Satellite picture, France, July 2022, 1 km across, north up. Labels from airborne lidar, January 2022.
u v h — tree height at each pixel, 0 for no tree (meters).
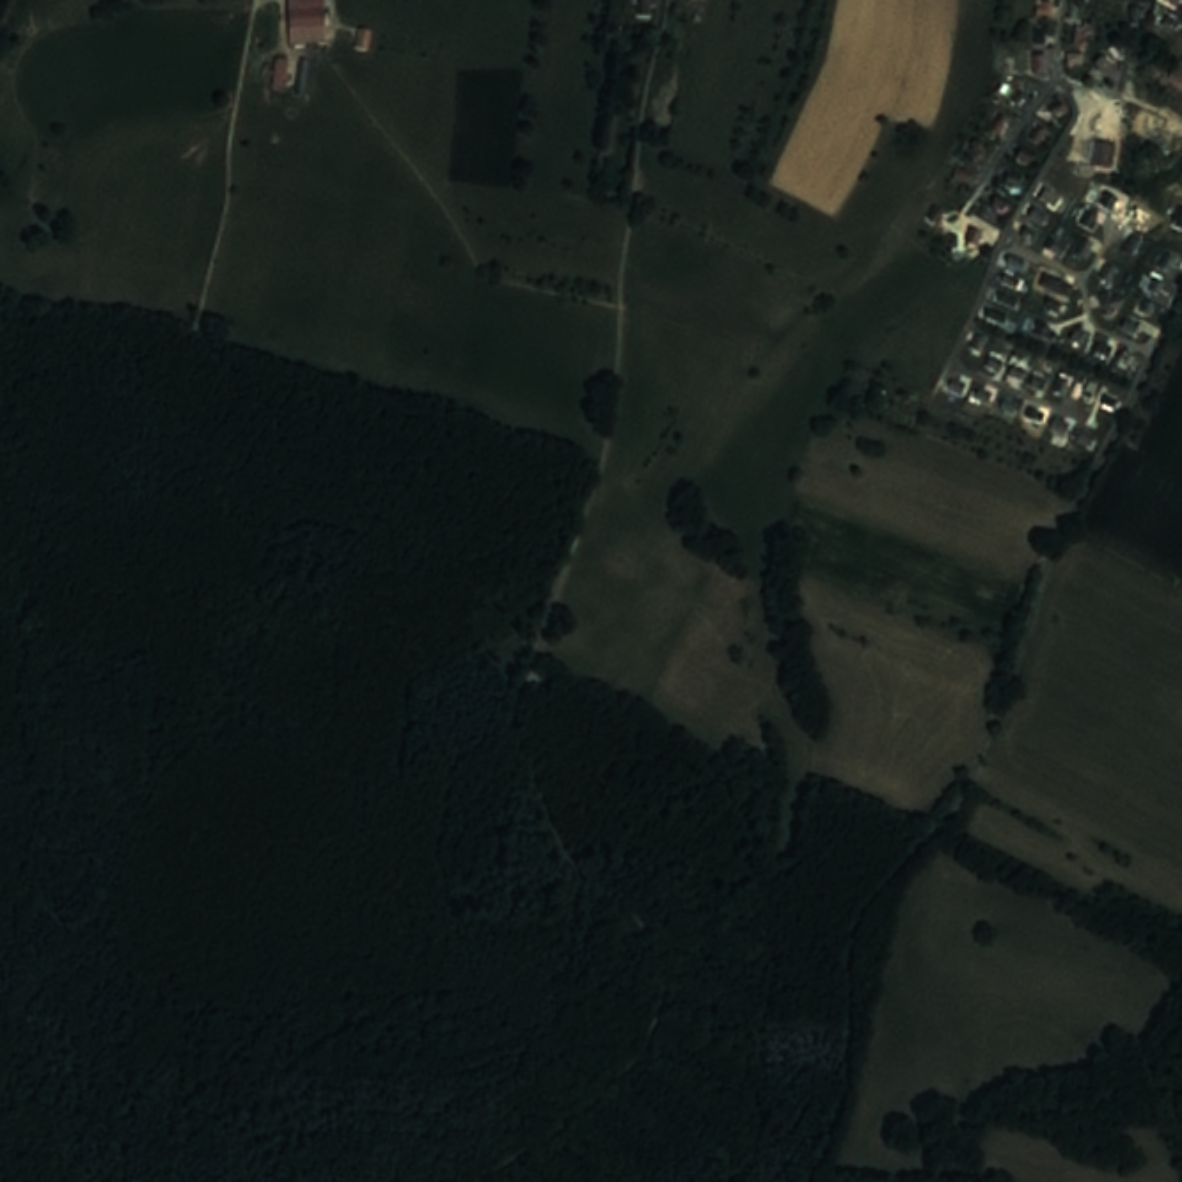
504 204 0
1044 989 0
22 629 16
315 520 17
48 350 14
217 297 0
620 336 0
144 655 16
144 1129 15
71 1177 11
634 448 0
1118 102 0
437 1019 19
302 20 0
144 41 0
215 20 0
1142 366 0
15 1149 11
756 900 24
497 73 0
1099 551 0
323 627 13
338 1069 15
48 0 0
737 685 0
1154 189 0
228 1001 14
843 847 20
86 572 15
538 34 10
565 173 0
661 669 0
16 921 14
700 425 0
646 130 12
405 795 10
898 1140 19
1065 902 26
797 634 17
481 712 25
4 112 0
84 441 12
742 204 0
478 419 15
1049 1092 19
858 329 0
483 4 0
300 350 0
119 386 12
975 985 0
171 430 9
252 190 0
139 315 11
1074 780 0
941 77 0
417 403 17
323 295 0
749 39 0
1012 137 0
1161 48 14
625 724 16
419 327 0
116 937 16
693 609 0
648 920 17
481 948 11
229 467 12
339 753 15
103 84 0
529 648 7
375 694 15
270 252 0
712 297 0
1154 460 0
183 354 18
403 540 23
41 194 0
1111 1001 0
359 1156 15
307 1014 17
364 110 0
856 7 0
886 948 13
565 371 0
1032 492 0
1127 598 0
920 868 12
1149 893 0
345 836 13
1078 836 0
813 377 0
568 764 16
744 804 9
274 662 10
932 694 0
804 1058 21
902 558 0
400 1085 17
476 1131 16
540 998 10
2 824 13
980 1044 0
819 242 0
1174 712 0
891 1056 0
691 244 0
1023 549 0
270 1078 19
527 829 28
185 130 0
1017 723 0
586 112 0
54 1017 12
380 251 0
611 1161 19
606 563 0
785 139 0
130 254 0
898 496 0
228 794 12
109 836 14
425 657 14
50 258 0
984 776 0
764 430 0
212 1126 14
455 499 20
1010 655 9
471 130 0
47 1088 8
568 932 17
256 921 14
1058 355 8
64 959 15
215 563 16
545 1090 9
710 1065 21
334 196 0
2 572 9
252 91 0
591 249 0
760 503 0
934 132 0
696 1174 23
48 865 12
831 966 17
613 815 6
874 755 0
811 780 11
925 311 0
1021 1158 0
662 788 14
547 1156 17
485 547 17
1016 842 0
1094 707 0
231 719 10
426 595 15
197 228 0
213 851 13
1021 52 0
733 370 0
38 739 16
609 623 0
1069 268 0
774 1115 22
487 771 18
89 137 0
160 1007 18
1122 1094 21
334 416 19
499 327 0
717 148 0
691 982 18
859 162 0
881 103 0
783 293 0
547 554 10
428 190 0
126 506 12
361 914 12
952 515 0
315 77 0
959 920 0
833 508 0
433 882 13
